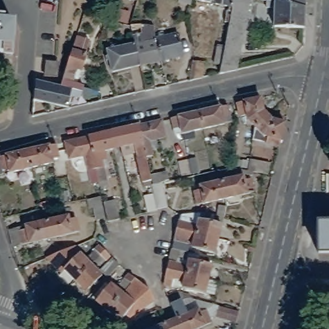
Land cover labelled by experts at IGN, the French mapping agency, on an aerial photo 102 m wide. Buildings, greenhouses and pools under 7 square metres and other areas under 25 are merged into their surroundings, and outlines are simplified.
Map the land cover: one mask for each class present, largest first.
<instances>
[{"label":"impervious surface","instance_id":"1","mask_svg":"<svg viewBox=\"0 0 329 329\"><path fill-rule=\"evenodd\" d=\"M55 0H0V9L5 10V14L17 15L18 41H15L14 54L6 58L13 67L14 77L22 78L21 99L17 107L10 105L0 113V156L10 150L39 144L54 143L62 148L63 140L81 138L91 132L129 123L157 120L161 121L166 132V141L162 143L163 148L170 149L171 145H175L177 149L181 150L186 161L194 158V154H191L189 140L195 138L194 132L181 135L180 130L175 134L168 120L176 114L209 105H231V113L236 114L240 100L251 96L258 98H266L275 93L285 94L288 109L280 118L281 122L285 123V131L279 141L280 144L276 147L278 158L272 171L274 177L270 180L263 211L258 229V238L261 242L248 272L243 290V307L238 311L235 329H298L303 323L301 310L306 306L308 290L329 293V254H324L319 247L317 220L329 217V193H326V182L321 179L325 173H329V0H307L305 23L301 28H274L275 37L271 44L262 45L260 49L245 48L242 46L240 49L244 57L284 48L292 50L293 55L239 67L238 72L227 75H221L220 72L207 75L203 80H186L185 71L191 57L189 42L185 23H179L176 30L180 33L179 42H184V54L176 57L182 59L177 76V82H170L167 78L154 73L153 85L149 89H143L141 73L147 71V66L135 64L112 69L108 67L107 60H104V63L108 73H131L134 93L122 94V87L114 86L112 81L108 86L104 85L99 89V100L86 102L84 96H81L80 99L73 98L71 104L68 105L71 111L32 118V105L35 99V80L41 78L44 75L46 62L54 60L57 57L51 55V39L55 31ZM215 10L217 15L222 14L224 4L216 0H198L197 6L191 9V12ZM247 18L251 22L258 18L269 22L272 27L274 23L271 17H274V8L269 0H252L247 5ZM117 157L127 204V216L120 218H112L107 222L94 221V211L91 206H87L85 200L72 202L71 197L75 193L71 186L63 191L62 199L67 209L66 215L63 224L67 226V230L75 231V234L64 236L60 242H54L46 248L44 260L26 266V272L30 275L27 281L17 267L22 258L19 251H14V245L24 242L22 229L26 224L17 215L3 217V208L0 206V329H23L22 326L28 316H44L54 301L75 298L76 305L91 308L94 307L105 285L112 278L116 279L123 271L130 269L147 281L148 289L156 296V306L136 312L127 324V326L130 328L144 323L152 329H159L164 320L175 316L173 308L168 307V301L180 298L179 292L171 283L164 287L177 222L182 213H199L200 217L218 220V208L224 207L226 204L216 202L194 207L175 209L167 206L161 211H147L135 213L132 209L126 176L136 172L134 157L131 154L123 156V152H118V149H114L113 152ZM96 247L108 252L109 256L113 254L118 265L112 276L103 275L85 296L78 292L77 287L60 278L59 267L69 262L78 252L89 256ZM57 176L67 175L69 180L76 181H86L87 177L84 157H68L64 150H60L58 157H54V166ZM48 166L40 164L31 170L30 167H23L13 168L8 173H0V179L30 185L33 200L46 197L44 184L50 177L46 171ZM222 227L217 235V256H208L206 252L188 249L181 258L182 271L188 270L186 265L190 257L208 261L211 269L208 279L215 281L217 276L218 269H233L234 258L225 256L230 244L227 240L233 235H242L244 225L226 218L220 221ZM211 320L208 323L200 324L195 329H229L230 320L218 317L216 312L215 315L209 316Z\"/></svg>","mask_w":329,"mask_h":329},{"label":"building","instance_id":"2","mask_svg":"<svg viewBox=\"0 0 329 329\"><path fill-rule=\"evenodd\" d=\"M224 4L222 14V23H229V30L226 44L218 45L216 50L215 59L218 60V66H221L220 72L221 75H227L238 72L239 67L240 58L244 57L240 49L242 46L245 48L248 23L251 22L247 18V5L252 0H216ZM274 8V17H271L274 23L272 27L274 28H301L305 23L307 0H269ZM15 41H18L17 15L5 14V10L0 9V60L6 58L14 54ZM131 30L132 37L121 40L113 39L114 32L108 31L109 40L103 42L104 60H107L108 67L112 69L135 64L147 66L157 64L158 60L176 57L184 54V42H179L180 33L176 30L173 33H164V30H156L153 24L134 23L131 24ZM93 48H90L87 36H77L62 82H51L41 78L35 80V99L50 100L54 103H66L69 100L71 104L73 98L80 99L81 96H84L86 102L99 100V89L85 87V67L86 64H90L89 57ZM186 80H203L207 75L204 64L195 62L191 57L185 71ZM59 66L54 60L46 62L44 75L58 76ZM239 120L254 126V131H257L256 139H253L254 144L272 148L276 147L280 144L279 141L285 131V123L281 122L280 118L271 116L258 98L251 96L240 100L236 114ZM231 105H209L176 114L168 120L175 134L180 130L181 135L194 132L197 127L230 122L231 113ZM157 140H161L162 143L166 141V132L161 121L157 120L129 123L91 132L81 138L63 140L62 148L54 143L39 144L10 150L0 156V173H8L13 168L23 167H30L31 170L40 164L48 166H54V157H58L60 150H64L68 157H84L87 177L91 182L107 180L103 161L105 154L113 152L114 149H118V152H123V156L131 154L134 157L136 172L141 185L148 186L149 194L144 197L147 211H161L167 206L164 189L166 184L173 181V173H190L197 176L200 175V171L207 170L213 164L204 157L200 149H195L191 154H194V158L186 161L181 150L177 149L175 154L179 158L175 159L176 166H168L164 170L161 168L163 158L156 152ZM239 167L242 168L239 175L200 182L197 190H191L194 207L216 202L226 204L235 206L243 200L252 199L258 198L257 177L260 173H267L269 162L254 159L240 161ZM326 182V193H329V173H325L321 179ZM87 206H91L94 211V221L107 222L112 218H120V198H113L108 202L99 197L85 200ZM218 220L200 217L199 213H182L177 222L164 287L171 283L179 292L180 298L168 301V307L173 308L175 316L164 320L159 329H195L200 324L208 323L211 320L209 316L215 315L216 312L218 317L230 320L229 329H235L238 311L218 307L221 302L217 301L213 294L216 292V285L215 281L208 279L211 269L208 261L190 257L186 265L188 270L182 271L181 258L188 249L206 252L208 256H217V235L222 227L220 221L226 218V215L224 207L218 208ZM66 215L41 218L26 224L22 229L24 242L14 245V251H19L35 245L46 248L54 242H60L64 236L75 234V231L67 230V226L63 224ZM319 247L324 254H329V217L317 220ZM118 265L113 254L109 256L108 252L96 247L89 256L78 252L69 262L59 267L60 278L77 287L78 292L85 296L103 275L112 276ZM156 306V296L148 289L147 281L130 269L123 271L116 279L112 278L105 285L94 307L91 308L95 315L107 320L108 323L117 321L127 324L136 312ZM127 329H152L144 323L130 328L127 326Z\"/></svg>","mask_w":329,"mask_h":329},{"label":"herbaceous vegetation","instance_id":"3","mask_svg":"<svg viewBox=\"0 0 329 329\"><path fill-rule=\"evenodd\" d=\"M98 0H55V31L51 39V55L57 57L54 60L59 66L58 76L44 75L41 78L51 82H62L77 36H87L90 48H93L100 26L94 23L93 18L82 14V8H91ZM125 9L121 10L120 32L131 30V24L134 23L153 24L156 30H164V33H173L176 30L179 23L175 21L177 14L181 9H185L186 5H190V0H158L157 13L153 15L152 21H147L134 19L131 15L135 13V9L144 8V13L148 12L150 6L144 4L143 0H121ZM191 32L194 40L189 42L191 57L195 62L204 64L207 75L220 72L221 66H218V60L215 59L216 50L218 45L226 44L229 30V23H222V14L217 15L215 10L191 12ZM182 59L176 57L158 60L157 64L167 75L171 73L177 76ZM112 81L114 86L122 87V94L134 93L131 73H108ZM271 116L280 118L288 109L285 94L275 93L266 98H258ZM71 104L69 100L66 103H54L50 100L35 99L32 105V118L71 111L68 105ZM257 131H254V126L239 120L235 145L240 161L254 159L269 162L272 148L254 144L253 139H256ZM230 122L197 127L194 132L195 138L189 140L191 154L195 149H200L204 157L213 164L207 170L200 171V175L197 176L190 173H173V181L166 184L164 189L167 206L175 209L194 207L191 190H197L200 182L239 175L242 168L239 167L226 170L220 166L222 161L218 150L221 149V145L218 141L225 139ZM107 180L91 182L87 177L86 181H76L69 180L67 175L57 176L54 166H48L46 171L50 177H57L63 191L71 186L75 193L71 197L72 202L85 200L99 197L108 202L113 198H120V186L117 185L116 177L109 171V168H113V162L109 153L105 154L103 161ZM132 209L135 213L147 211L144 197L149 194L148 186L141 185L136 172L126 176ZM0 206L3 208V217L17 215L26 224L41 218L66 215L67 209L62 199L46 197L33 200L30 185L0 179ZM226 215L247 218L256 222L254 227L258 229L263 211H254L252 199L243 200L235 206L226 204L224 207ZM242 235H233L227 240L230 244L225 256L234 258L233 269H218L217 276L221 280L236 283L238 279L230 274L231 270L248 272L261 242L258 238L252 247L244 248L240 245V240L251 238V226L244 225ZM213 294L217 301L221 302L218 307L238 311L243 307V290L230 285H216V292Z\"/></svg>","mask_w":329,"mask_h":329},{"label":"deciduous trees","instance_id":"4","mask_svg":"<svg viewBox=\"0 0 329 329\"><path fill-rule=\"evenodd\" d=\"M125 9L121 0H98L91 8H82V14L93 18L94 23L100 26L108 31L114 32L113 39L121 40L132 37L131 30L120 32L121 10ZM144 4L150 6L148 12L144 13V8L135 9V13L131 15L134 19L147 21H152L153 15L157 13L158 0H143ZM275 37L274 28L272 27L269 22L258 18L251 22L248 23L245 48L260 49L262 45L271 44ZM22 78L14 77L13 67L6 58L0 60V113L10 105L17 107L21 99ZM85 87L99 89L104 85L108 86L112 81L108 73L104 63L98 67L90 64H86L85 67ZM239 120L236 114L231 113L230 122L225 139L218 141L221 145V149L218 150L222 161L220 166L226 170L239 167L240 161L235 145ZM46 197L62 199L63 191L57 177H50L44 184ZM306 306L301 310L303 323L298 329H329V293L308 290ZM23 329H127V324L117 321L108 323L107 320L95 315L91 308L76 305L75 298L54 301L44 316H28L22 326Z\"/></svg>","mask_w":329,"mask_h":329},{"label":"brushwood","instance_id":"5","mask_svg":"<svg viewBox=\"0 0 329 329\"><path fill-rule=\"evenodd\" d=\"M190 5H186L185 9H181L177 14L175 21L179 23H185L189 42L194 40L191 32V9L197 6L198 0H190ZM109 40L108 31L100 26L93 48L89 57L90 64L98 67L104 63V60L103 42ZM293 55L292 50L284 48L244 57L240 58L239 67ZM147 71L141 73L143 89H149L153 85L154 73L167 78L170 82H177V76L171 73L167 75L157 64L147 66ZM177 149L175 145H171L170 149L163 148L162 143L161 140H157L156 152L163 158L161 168L164 170L168 166H176L175 159L179 158L175 154ZM278 158L276 147L272 148L269 162L267 173H260L257 177L258 198L252 199L254 211H263L270 180L274 177L272 171ZM113 162V168H109V171L116 177L117 185L120 186V218L127 216V204L117 157L113 152L109 153ZM226 218L244 225L251 226V238L240 240V245L244 248L252 247L258 238V229L254 227L256 222L247 218L226 215ZM46 248L35 245L19 251L22 258L17 267L27 281L30 275L26 272V266L44 260ZM230 274L238 279L236 283L221 280L217 276L215 281L216 285H230L243 290L248 272L231 270Z\"/></svg>","mask_w":329,"mask_h":329}]
</instances>
